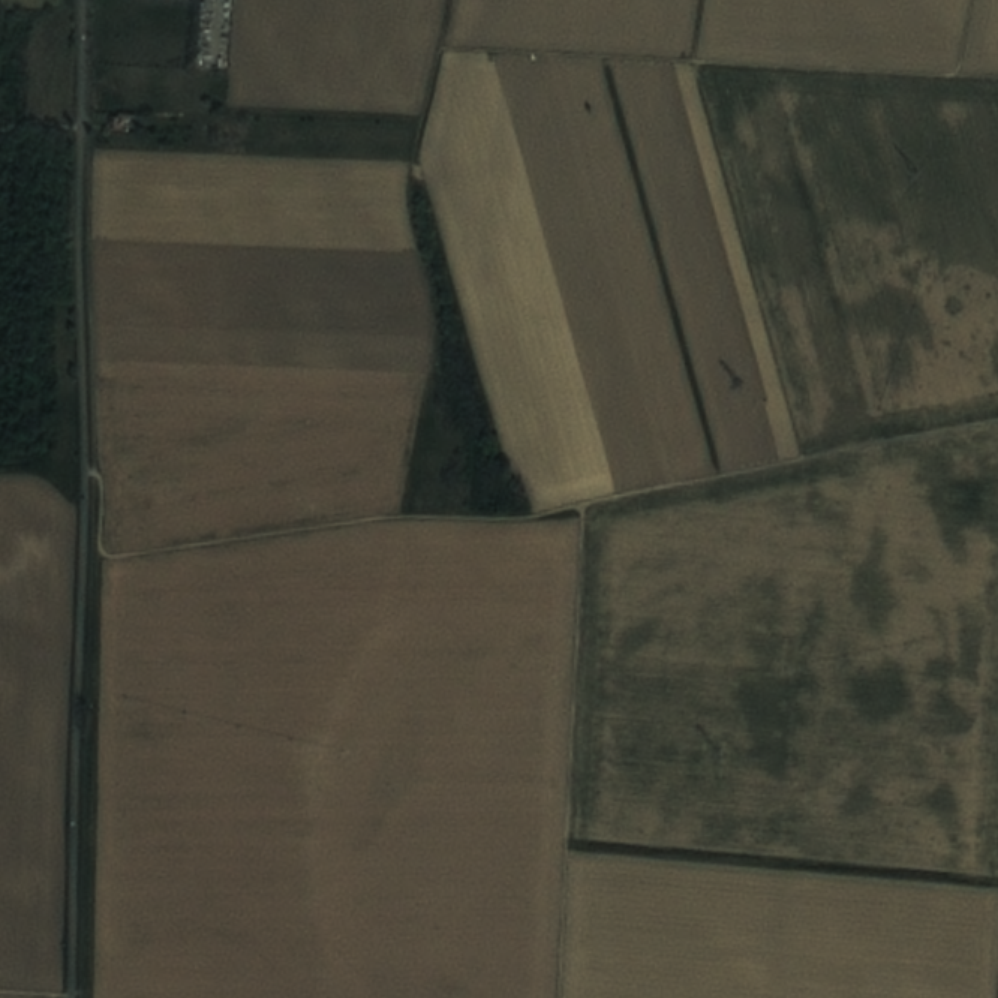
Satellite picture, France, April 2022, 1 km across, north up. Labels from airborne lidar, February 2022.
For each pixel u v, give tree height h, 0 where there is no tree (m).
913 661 0
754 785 0
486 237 0
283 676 0
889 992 0
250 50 0
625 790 0
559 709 0
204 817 0
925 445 0
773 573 0
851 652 0
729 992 0
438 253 11
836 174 0
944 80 0
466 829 0
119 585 0
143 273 0
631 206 0
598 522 0
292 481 0
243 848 0
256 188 0
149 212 0
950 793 0
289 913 0
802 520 0
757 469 0
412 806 0
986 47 0
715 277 0
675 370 0
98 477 0
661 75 0
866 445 0
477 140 0
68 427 0
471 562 0
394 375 0
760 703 0
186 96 0
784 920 0
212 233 0
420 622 0
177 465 0
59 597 0
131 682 0
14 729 0
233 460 0
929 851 0
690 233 0
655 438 0
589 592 0
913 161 0
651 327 0
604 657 0
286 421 0
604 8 0
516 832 0
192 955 0
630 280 0
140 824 0
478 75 0
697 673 0
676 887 0
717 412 0
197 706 0
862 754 0
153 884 0
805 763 0
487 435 13
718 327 0
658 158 0
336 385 0
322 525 0
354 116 0
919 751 0
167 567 0
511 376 0
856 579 0
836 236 0
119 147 0
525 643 0
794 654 0
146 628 0
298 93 0
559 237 0
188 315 0
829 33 0
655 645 0
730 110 0
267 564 0
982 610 0
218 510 0
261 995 0
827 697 0
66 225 14
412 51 0
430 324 0
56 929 0
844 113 0
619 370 0
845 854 0
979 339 0
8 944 0
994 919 0
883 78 0
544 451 0
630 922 0
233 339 0
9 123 10
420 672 0
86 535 0
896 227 0
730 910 0
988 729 0
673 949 0
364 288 0
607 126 0
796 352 0
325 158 0
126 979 0
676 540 0
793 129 0
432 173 0
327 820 0
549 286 0
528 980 0
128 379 0
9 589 0
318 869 0
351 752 0
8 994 0
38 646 0
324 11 0
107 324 0
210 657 0
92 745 0
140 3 0
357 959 0
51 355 13
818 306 0
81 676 0
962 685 0
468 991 0
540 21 0
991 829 0
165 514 0
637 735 0
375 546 0
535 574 0
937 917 0
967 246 0
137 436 0
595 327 0
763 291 0
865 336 0
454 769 0
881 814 0
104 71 0
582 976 0
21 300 8
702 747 0
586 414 0
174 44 0
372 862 0
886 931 0
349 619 0
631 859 0
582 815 0
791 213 0
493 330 0
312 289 0
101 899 0
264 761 0
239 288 0
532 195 0
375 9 0
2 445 10
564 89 0
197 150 0
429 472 0
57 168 15
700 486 0
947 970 0
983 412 0
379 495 0
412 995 0
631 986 0
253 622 0
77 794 0
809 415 0
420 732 0
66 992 0
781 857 0
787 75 0
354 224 0
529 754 0
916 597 0
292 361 0
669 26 0
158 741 0
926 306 0
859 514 0
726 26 0
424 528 0
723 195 0
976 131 0
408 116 0
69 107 0
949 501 0
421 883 0
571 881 0
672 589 0
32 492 0
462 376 16
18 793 0
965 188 0
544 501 0
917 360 0
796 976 0
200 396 0
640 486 0
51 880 0
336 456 0
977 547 0
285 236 0
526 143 0
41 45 0
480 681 0
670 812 0
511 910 0
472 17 0
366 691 0
